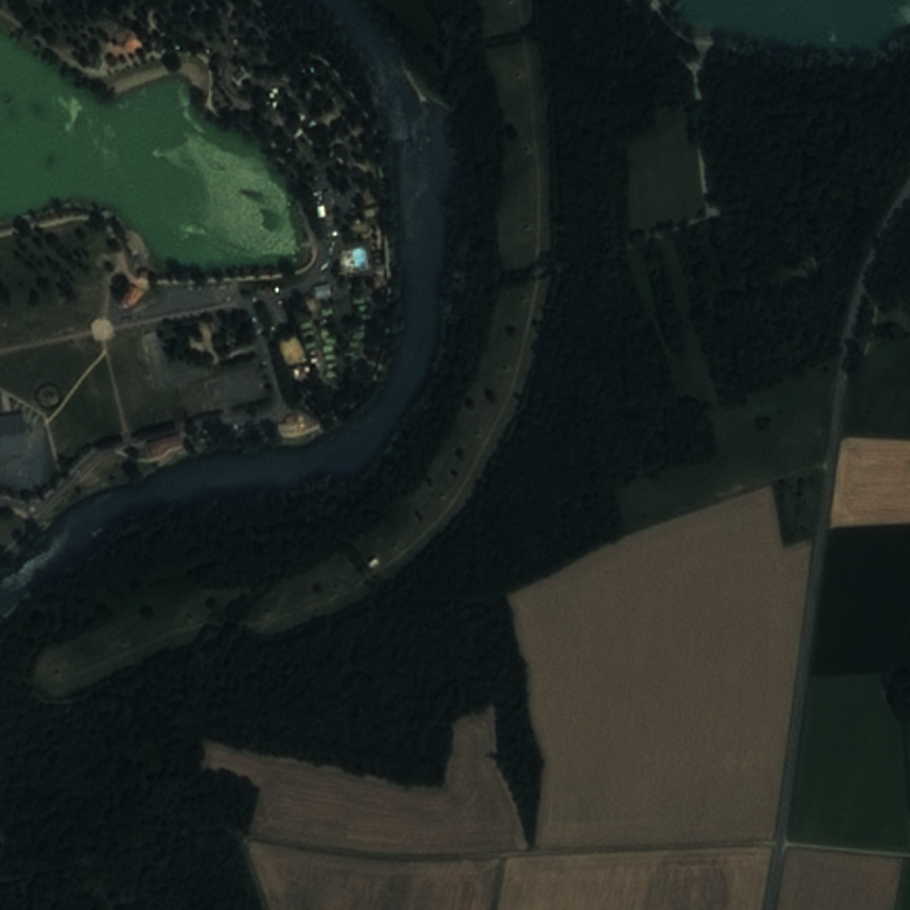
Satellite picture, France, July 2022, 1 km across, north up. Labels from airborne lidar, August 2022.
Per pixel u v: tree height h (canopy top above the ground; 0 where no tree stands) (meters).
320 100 18
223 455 0
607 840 0
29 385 0
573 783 0
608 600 0
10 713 8
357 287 13
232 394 0
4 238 0
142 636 0
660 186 0
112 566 26
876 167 27
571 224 15
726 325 29
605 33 18
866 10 0
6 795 9
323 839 0
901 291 26
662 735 0
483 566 24
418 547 0
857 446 0
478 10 13
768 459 0
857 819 0
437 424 12
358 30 0
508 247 0
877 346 0
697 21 0
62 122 0
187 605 0
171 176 0
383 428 0
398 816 0
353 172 7
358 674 20
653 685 0
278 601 0
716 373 17
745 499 0
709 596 0
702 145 10
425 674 17
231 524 20
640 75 17
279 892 0
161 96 0
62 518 0
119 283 13
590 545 11
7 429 0
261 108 18
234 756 0
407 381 0
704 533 0
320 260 0
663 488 0
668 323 30
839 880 0
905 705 22
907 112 26
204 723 12
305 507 21
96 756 20
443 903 0
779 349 17
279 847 0
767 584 0
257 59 13
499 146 13
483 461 0
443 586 12
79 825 27
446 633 16
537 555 18
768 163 20
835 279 18
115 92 12
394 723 23
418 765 20
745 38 15
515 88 0
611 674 0
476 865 0
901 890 0
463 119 19
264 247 0
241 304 0
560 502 15
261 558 25
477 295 18
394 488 21
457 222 13
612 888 0
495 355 0
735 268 14
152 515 25
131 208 0
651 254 16
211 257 0
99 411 0
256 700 16
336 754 14
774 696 0
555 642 0
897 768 0
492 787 0
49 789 13
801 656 0
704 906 0
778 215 10
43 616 16
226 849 12
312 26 17
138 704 27
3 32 0
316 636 24
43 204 0
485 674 12
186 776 16
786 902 0
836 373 0
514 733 12
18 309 0
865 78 25
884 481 0
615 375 16
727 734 0
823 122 24
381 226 20
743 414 0
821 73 19
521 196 0
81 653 0
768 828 0
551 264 11
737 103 19
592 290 23
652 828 0
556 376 22
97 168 0
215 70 16
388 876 0
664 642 0
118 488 0
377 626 18
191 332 12
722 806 0
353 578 0
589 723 0
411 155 0
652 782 0
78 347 0
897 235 23
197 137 0
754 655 0
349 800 0
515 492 21
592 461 17
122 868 10
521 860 0
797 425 0
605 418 23
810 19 0
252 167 0
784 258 16
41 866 7
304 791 0
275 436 28
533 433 18
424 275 0
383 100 0
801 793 0
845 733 0
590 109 20
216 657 13
